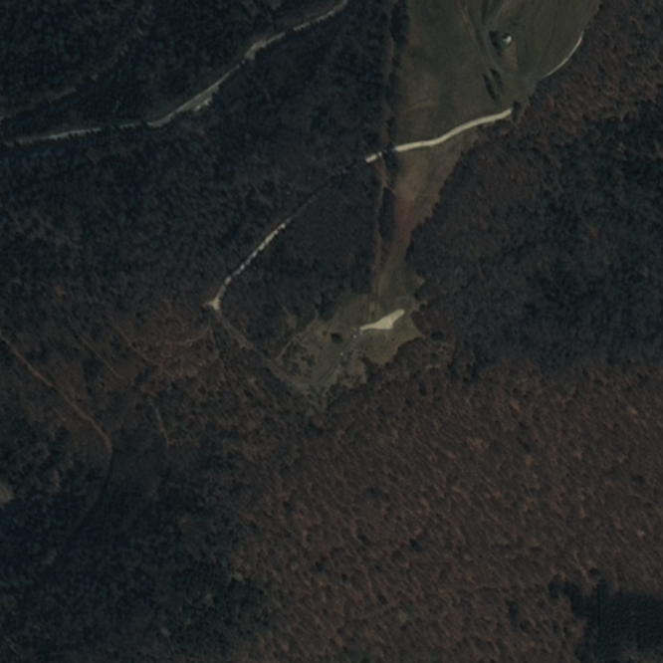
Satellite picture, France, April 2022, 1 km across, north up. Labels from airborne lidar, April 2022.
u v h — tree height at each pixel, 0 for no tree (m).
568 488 25
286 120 21
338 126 28
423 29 0
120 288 8
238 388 17
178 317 20
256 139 8
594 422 23
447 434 24
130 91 18
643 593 24
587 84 17
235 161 9
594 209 25
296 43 20
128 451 11
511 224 30
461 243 24
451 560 12
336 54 21
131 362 14
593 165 31
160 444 9
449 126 0
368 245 17
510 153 23
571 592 25
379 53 25
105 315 16
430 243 14
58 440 19
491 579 24
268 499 19
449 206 16
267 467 19
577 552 23
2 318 14
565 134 25
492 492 25
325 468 18
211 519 21
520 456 22
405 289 0
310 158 24
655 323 24
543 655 12
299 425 11
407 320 0
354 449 18
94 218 17
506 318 22
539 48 0
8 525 18
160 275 24
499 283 28
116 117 12
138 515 10
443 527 27
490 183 26
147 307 12
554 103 10
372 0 20
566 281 26
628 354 17
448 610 25
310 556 30
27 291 11
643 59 29
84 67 22
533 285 34
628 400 19
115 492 15
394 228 17
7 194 8
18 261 13
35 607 13
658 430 24
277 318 10
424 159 0
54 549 7
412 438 26
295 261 5
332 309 9
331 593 28
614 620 22
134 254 14
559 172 26
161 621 10
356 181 12
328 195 21
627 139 13
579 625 25
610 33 24
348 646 25
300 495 22
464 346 12
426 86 0
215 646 23
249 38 14
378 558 12
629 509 21
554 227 25
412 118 0
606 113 24
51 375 16
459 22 0
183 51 14
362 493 25
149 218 29
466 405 21
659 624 23
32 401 18
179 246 25
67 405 19
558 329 22
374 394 15
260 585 19
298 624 19
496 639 18
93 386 16
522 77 0
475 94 0
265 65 16
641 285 20
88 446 19
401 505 22
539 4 0
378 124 21
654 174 39
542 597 27
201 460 9
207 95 0
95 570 11
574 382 17
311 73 10
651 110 23
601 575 21
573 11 0
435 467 22
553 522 23
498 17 0
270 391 16
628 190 29
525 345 23
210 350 9
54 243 20
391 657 28
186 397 20
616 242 29
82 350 14
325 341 0
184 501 8
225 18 19
